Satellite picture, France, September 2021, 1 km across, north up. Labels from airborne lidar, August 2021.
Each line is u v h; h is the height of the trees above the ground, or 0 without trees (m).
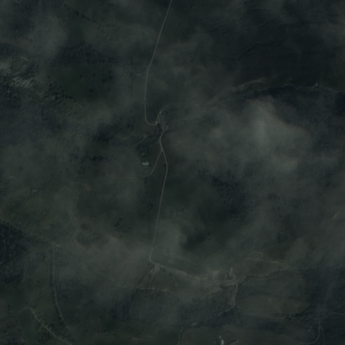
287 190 0
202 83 0
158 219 0
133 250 0
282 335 0
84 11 0
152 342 0
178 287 0
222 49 0
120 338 0
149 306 0
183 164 0
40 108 6
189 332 0
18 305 0
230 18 0
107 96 0
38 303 0
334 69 0
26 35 0
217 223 0
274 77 0
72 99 9
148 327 0
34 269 0
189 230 0
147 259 0
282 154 10
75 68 0
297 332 0
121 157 0
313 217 0
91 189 0
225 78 0
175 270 0
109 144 8
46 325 8
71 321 0
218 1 0
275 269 0
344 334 0
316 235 0
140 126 0
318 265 0
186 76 0
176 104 0
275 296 0
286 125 13
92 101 0
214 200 0
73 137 8
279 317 0
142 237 0
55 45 10
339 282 0
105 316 0
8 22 0
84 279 0
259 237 0
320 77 0
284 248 0
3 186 0
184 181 0
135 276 0
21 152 0
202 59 0
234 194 9
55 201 0
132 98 7
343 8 0
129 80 0
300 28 0
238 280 0
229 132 0
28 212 0
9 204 0
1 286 0
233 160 11
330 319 0
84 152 6
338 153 7
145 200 0
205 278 0
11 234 8
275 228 0
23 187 0
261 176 10
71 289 0
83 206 0
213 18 0
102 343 0
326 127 8
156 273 0
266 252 0
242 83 0
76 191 0
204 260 0
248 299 0
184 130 0
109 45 0
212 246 0
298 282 0
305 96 0
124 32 0
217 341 9
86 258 0
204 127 0
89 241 0
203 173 7
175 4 0
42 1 0
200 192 0
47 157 0
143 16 0
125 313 0
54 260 10
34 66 12
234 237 0
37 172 0
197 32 0
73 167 0
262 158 9
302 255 0
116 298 0
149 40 0
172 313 0
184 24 0
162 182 0
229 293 0
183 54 0
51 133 7
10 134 11
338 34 0
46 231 7
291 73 0
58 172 0
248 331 0
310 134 0
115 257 0
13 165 0
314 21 0
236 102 0
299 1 0
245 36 0
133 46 0
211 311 7
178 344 0
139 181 0
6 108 7
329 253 0
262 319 0
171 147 0
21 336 0
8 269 10
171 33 0
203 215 0
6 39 0
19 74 0
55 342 0
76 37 0
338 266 0
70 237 0
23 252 9
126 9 0
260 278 0
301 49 0
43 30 13
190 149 0
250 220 0
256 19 0
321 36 0
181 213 10
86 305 0
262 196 0
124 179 0
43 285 0
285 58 0
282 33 0
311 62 0
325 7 0
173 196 0
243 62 0
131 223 0
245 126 11
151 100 0
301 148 0
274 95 12
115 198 0
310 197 10
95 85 0
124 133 0
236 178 9
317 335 0
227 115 8
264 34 0
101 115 0
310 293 0
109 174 0
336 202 0
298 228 0
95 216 0
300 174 8
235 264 0
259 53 0
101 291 0
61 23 0
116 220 0
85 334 0
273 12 0
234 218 10
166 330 0
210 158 0
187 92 0
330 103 0
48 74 0
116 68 0
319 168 10
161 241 0
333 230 0
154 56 0
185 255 0
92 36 0
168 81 0
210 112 0
